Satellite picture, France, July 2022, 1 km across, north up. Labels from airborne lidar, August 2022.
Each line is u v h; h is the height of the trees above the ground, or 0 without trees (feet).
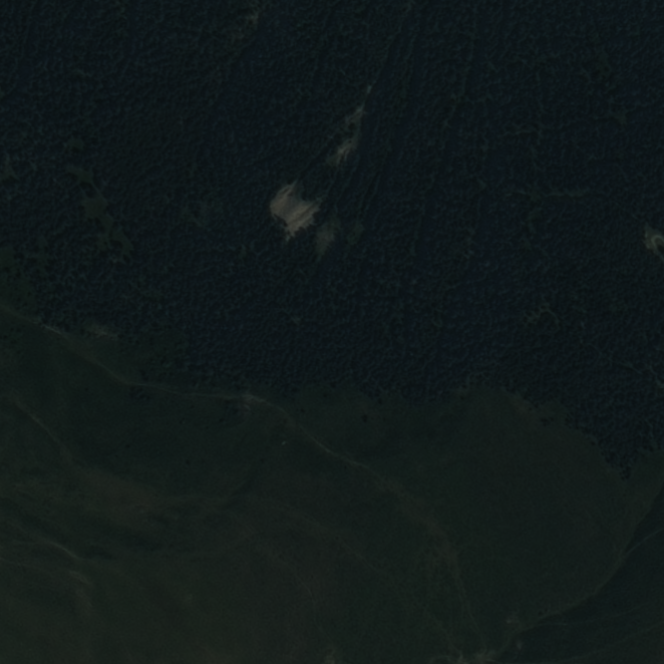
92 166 23
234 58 42
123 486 0
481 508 0
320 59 28
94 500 0
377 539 0
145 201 94
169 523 0
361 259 60
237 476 0
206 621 0
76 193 73
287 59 44
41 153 83
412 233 97
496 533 0
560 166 36
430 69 85
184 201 83
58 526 0
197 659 0
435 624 0
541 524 0
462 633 0
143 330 35
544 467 0
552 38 32
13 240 64
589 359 80
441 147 98
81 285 72
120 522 0
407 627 0
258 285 62
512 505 0
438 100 71
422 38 82
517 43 82
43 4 73
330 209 63
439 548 0
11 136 82
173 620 0
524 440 0
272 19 53
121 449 0
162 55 69
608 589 0
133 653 0
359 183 65
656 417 57
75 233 48
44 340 0
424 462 0
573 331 54
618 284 80
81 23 77
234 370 59
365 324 62
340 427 0
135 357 0
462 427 0
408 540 0
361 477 0
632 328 84
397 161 77
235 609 0
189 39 98
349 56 37
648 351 89
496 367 38
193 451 0
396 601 0
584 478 0
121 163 94
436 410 0
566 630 0
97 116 89
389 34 73
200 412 0
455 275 70
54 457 0
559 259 39
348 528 0
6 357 0
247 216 44
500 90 106
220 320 26
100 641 0
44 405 0
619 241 82
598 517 0
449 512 0
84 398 0
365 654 0
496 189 29
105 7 49
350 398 0
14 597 0
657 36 33
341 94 57
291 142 68
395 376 64
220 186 36
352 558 0
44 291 43
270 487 0
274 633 0
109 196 85
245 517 0
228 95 70
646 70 63
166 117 93
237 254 38
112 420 0
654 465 0
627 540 0
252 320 89
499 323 31
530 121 47
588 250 73
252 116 40
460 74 87
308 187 26
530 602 0
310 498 0
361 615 0
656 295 73
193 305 54
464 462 0
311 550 0
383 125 67
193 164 35
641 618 0
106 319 51
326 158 23
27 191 102
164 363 33
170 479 0
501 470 0
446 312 56
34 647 0
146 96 75
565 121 61
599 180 51
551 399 31
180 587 0
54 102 45
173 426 0
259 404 0
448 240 74
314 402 0
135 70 84
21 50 70
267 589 0
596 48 71
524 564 0
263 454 0
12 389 0
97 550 0
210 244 66
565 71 27
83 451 0
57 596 0
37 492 0
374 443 0
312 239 65
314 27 63
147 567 0
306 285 31
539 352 67
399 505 0
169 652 0
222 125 79
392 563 0
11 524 0
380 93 46
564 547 0
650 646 0
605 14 89
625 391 70
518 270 61
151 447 0
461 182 45
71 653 0
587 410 74
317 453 0
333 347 82
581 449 0
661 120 41
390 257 83
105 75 100
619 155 41
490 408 0
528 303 39
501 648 0
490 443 0
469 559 0
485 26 117
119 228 27
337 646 0
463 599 0
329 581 0
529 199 40
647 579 0
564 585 0
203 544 0
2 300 0
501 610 0
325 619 0
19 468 0
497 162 24
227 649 0
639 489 0
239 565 0
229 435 0
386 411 0
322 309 86
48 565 0
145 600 0
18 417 0
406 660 0
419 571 0
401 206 61
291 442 0
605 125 59
